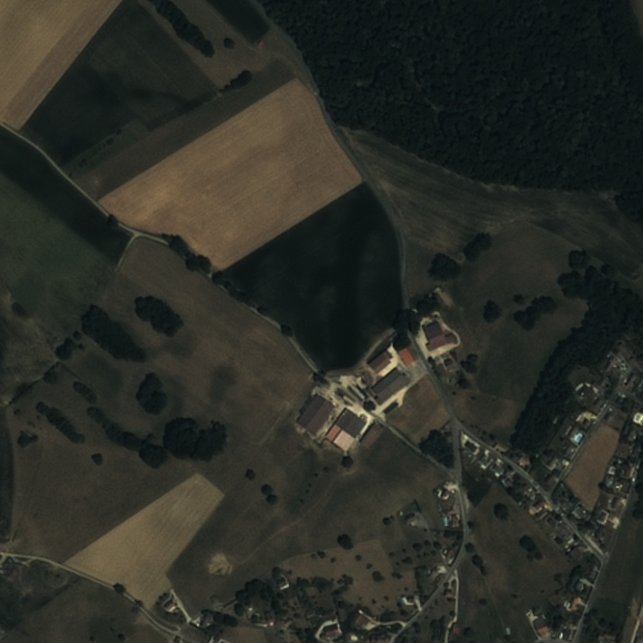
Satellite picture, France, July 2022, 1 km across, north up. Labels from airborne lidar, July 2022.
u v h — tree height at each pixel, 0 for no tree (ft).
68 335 0
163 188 0
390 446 0
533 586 0
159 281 0
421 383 0
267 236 0
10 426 0
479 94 83
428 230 0
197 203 0
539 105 79
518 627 0
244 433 0
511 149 76
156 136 0
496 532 0
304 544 0
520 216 0
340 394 0
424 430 0
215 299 0
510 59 78
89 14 0
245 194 0
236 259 0
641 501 23
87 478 0
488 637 0
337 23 77
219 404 0
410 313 52
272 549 0
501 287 0
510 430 0
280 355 0
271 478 0
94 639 26
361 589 0
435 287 0
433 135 71
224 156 0
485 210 0
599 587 0
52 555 0
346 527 0
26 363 0
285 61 0
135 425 0
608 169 58
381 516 0
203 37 50
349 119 68
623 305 28
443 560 0
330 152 0
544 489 0
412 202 0
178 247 69
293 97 0
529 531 0
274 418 0
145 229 0
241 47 0
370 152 0
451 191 0
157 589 0
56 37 0
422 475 0
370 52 90
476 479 0
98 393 0
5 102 0
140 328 0
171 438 60
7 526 0
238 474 0
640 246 0
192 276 0
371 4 75
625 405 24
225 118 0
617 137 70
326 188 0
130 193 0
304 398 0
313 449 0
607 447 0
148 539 0
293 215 0
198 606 0
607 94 66
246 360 0
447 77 91
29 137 0
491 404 0
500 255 0
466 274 0
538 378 0
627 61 63
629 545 0
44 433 0
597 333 77
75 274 0
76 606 0
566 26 87
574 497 33
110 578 0
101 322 72
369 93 83
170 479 0
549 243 0
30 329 0
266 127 0
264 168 0
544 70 89
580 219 0
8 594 0
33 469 0
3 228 0
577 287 72
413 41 91
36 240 0
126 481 0
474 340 0
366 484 0
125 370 0
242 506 0
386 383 0
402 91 71
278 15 52
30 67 0
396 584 0
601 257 0
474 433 0
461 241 0
